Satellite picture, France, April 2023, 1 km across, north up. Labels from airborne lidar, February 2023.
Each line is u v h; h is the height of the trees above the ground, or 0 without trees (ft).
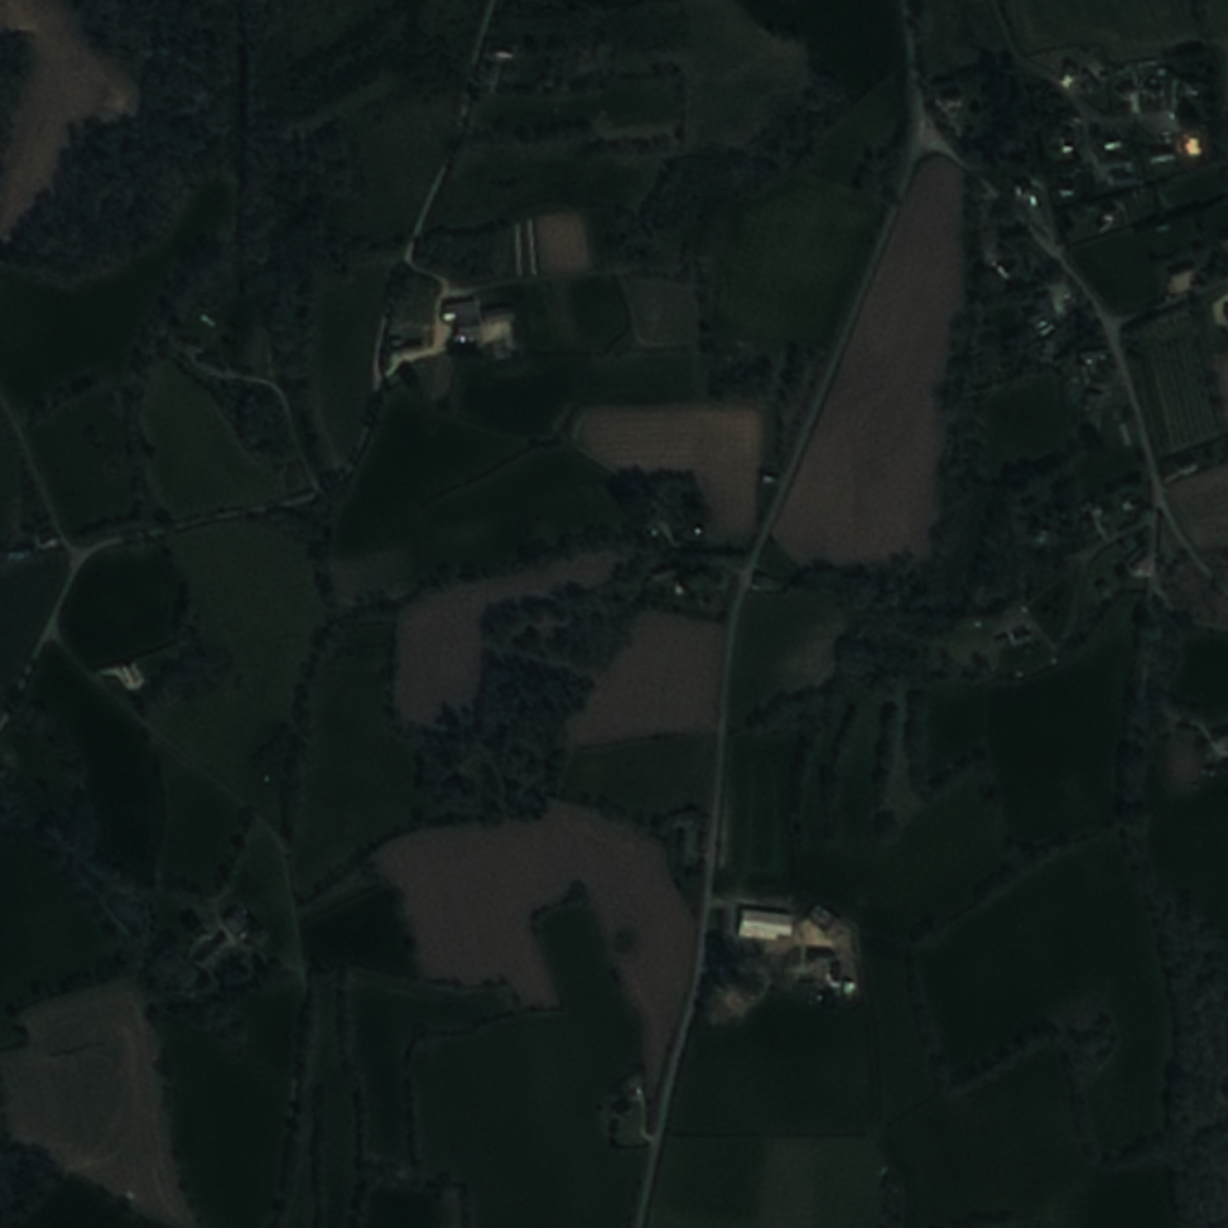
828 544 0
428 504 0
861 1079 0
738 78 0
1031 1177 0
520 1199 0
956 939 0
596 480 0
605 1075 0
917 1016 37
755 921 0
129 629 0
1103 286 0
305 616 0
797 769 33
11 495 0
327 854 0
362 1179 25
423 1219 0
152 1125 0
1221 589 43
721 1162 0
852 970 0
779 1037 0
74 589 0
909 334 0
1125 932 0
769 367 33
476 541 0
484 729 48
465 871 0
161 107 30
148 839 0
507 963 0
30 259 44
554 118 0
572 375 0
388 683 43
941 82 21
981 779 30
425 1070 0
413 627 0
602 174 0
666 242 0
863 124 0
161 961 66
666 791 0
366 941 0
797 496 0
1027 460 0
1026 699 0
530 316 0
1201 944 52
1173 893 0
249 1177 0
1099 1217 0
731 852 0
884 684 64
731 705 0
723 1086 0
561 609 40
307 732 37
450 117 0
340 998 34
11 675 0
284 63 0
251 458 30
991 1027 0
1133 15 0
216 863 0
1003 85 50
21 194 0
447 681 0
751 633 0
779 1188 0
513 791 27
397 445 0
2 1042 0
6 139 41
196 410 0
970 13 0
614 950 0
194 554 0
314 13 0
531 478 0
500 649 22
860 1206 0
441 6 0
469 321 0
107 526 19
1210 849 0
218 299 61
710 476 0
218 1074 0
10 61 60
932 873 0
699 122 0
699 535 29
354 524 0
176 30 57
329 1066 0
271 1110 0
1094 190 0
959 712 0
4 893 0
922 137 0
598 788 0
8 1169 53
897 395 0
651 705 0
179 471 0
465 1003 0
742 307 0
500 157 0
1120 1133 0
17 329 0
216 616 0
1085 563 0
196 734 0
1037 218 0
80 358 0
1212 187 0
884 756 39
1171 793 0
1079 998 0
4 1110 36
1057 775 0
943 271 0
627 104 0
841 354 0
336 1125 0
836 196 0
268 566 0
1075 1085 31
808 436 0
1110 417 0
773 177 44
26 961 0
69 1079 0
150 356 50
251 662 0
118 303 0
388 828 0
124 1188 0
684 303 0
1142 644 48
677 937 0
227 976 61
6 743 0
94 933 0
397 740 38
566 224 0
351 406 0
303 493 0
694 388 0
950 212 0
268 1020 0
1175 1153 35
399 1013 0
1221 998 29
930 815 0
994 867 0
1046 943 0
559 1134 0
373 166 0
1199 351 21
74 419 0
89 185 74
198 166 68
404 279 48
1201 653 0
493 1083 0
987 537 56
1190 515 0
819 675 0
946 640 66
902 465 0
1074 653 33
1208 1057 33
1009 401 0
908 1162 0
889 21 0
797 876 0
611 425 0
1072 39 0
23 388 0
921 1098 0
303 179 35
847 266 0
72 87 0
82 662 0
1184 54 28
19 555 42
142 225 79
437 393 0
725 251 0
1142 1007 0
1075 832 0
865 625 32
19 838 0
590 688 41
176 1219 0
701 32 0
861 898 0
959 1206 0
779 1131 0
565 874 0
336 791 0
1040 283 22
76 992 37
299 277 58
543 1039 0
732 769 0
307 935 0
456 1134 0
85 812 39
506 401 0
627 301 0
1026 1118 0
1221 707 0
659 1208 0
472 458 0
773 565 0
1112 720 0
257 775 0
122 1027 0
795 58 0
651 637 0
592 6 36
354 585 0
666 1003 0
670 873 0
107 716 0
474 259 29
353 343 0
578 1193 0
